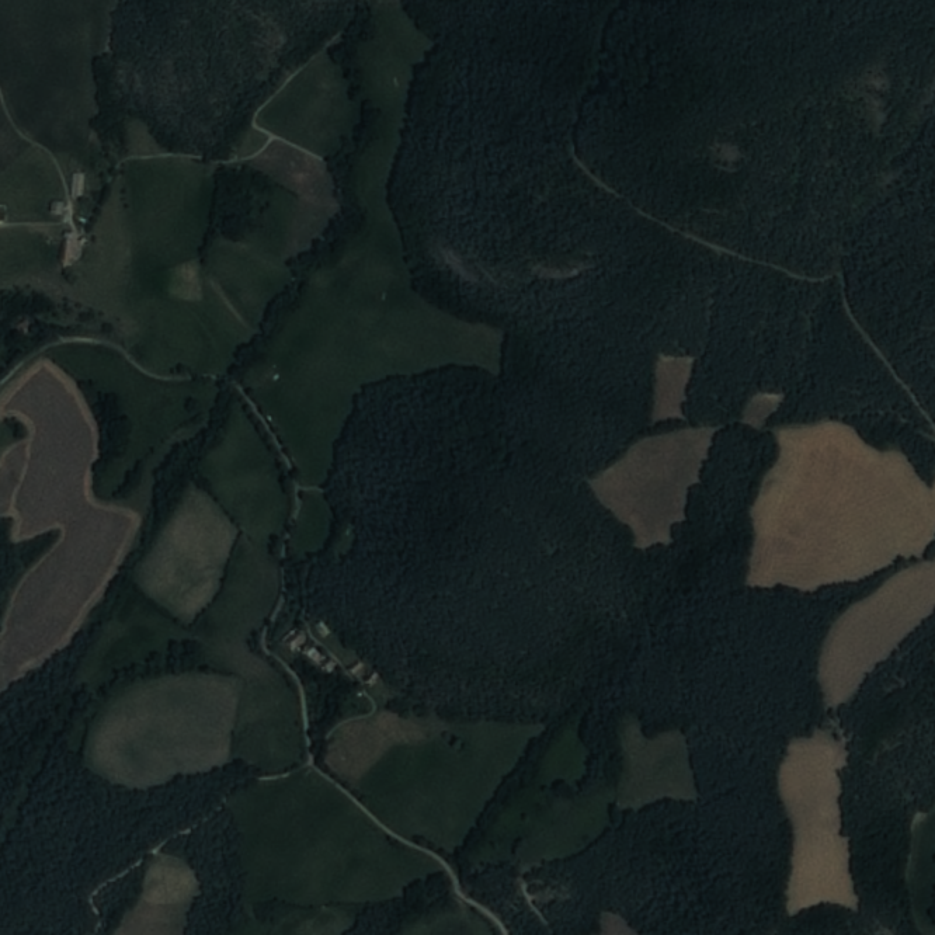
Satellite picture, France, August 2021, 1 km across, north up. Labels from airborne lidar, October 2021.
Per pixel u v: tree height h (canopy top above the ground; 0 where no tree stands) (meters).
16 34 0
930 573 0
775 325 9
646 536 0
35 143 0
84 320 7
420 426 13
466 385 12
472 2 12
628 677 12
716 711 11
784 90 9
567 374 8
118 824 9
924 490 0
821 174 7
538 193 10
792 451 0
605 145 14
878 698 10
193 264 0
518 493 12
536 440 22
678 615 12
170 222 0
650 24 16
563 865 8
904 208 8
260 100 9
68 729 9
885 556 0
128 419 13
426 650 10
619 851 12
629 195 12
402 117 0
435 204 10
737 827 15
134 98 7
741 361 10
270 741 0
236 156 0
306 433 0
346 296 0
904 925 13
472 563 12
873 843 15
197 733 0
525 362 12
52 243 0
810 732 10
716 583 14
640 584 15
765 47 10
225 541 0
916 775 9
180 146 7
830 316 11
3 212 0
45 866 13
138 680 15
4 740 18
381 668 10
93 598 0
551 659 11
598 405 12
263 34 6
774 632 13
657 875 11
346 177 16
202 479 13
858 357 10
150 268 0
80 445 0
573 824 0
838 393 10
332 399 0
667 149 11
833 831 0
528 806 0
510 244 10
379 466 13
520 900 8
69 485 0
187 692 0
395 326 0
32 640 0
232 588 0
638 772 0
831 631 9
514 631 13
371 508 11
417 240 7
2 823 8
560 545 9
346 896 0
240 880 10
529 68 22
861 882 12
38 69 0
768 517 0
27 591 0
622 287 11
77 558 0
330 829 0
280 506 0
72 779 12
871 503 0
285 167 0
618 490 0
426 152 11
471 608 8
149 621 0
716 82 12
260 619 0
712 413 14
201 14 7
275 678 0
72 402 0
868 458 0
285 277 0
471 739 0
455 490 19
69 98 0
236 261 0
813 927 16
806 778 0
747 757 11
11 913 7
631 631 14
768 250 8
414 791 0
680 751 0
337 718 10
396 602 9
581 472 11
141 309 0
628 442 9
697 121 10
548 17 17
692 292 9
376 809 0
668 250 9
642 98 20
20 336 16
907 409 9
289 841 0
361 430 15
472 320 15
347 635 11
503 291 6
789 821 10
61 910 6
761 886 11
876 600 0
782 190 8
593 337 9
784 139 6
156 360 0
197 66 7
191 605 0
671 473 0
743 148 5
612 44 18
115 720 0
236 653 0
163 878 0
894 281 13
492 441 17
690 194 12
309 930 0
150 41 9
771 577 0
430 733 0
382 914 15
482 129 12
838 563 0
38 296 12
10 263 0
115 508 0
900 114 8
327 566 15
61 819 9
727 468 15
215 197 6
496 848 7
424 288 15
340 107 0
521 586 9
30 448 0
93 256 0
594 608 10
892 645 0
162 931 0
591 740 16
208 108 6
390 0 0
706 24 14
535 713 10
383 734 0
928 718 11
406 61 0
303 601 11
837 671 0
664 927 14
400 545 18
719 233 7
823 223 7
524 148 16
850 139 9
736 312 11
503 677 9
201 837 7
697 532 17
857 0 7
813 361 11
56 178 0
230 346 0
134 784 0
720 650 12
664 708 15
